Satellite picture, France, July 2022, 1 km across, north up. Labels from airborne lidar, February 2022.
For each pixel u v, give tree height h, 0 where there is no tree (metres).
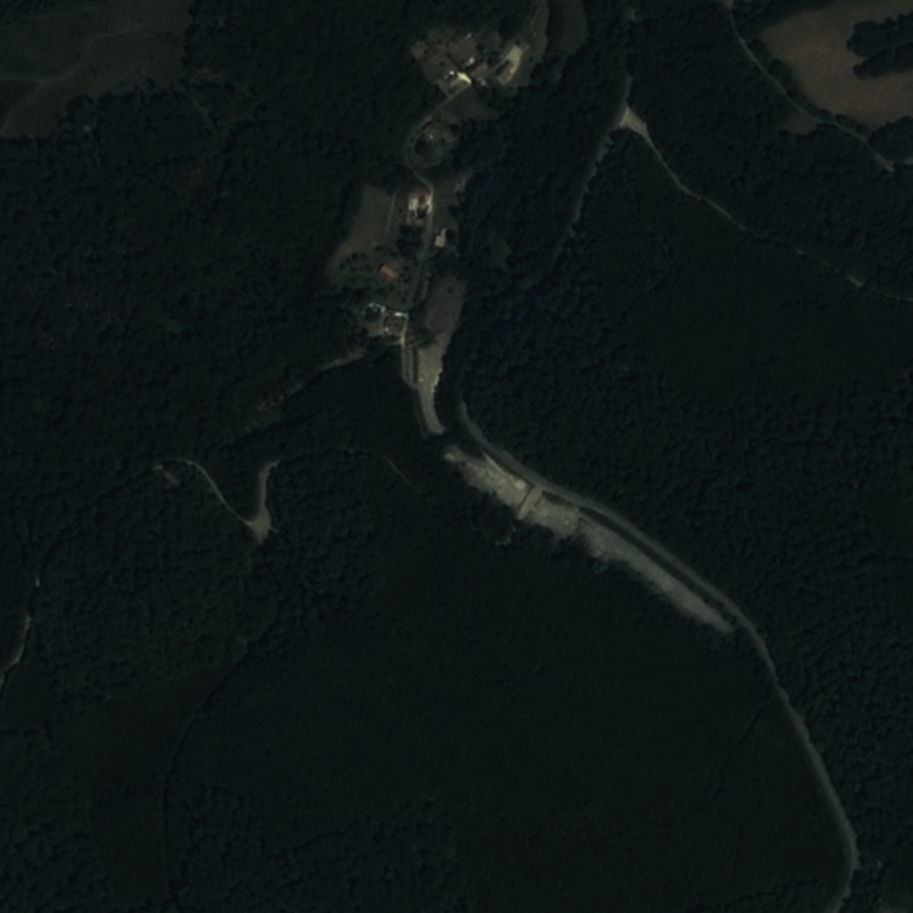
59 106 0
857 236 21
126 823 12
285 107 29
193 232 35
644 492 24
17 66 0
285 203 28
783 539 26
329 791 14
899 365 21
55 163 29
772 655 11
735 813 6
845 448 13
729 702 13
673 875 9
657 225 11
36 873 31
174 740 17
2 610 11
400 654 16
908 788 18
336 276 0
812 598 26
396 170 13
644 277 9
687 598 0
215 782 11
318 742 16
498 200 26
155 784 14
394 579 13
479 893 12
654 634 14
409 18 27
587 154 18
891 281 20
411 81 26
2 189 27
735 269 15
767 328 15
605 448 24
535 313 30
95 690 17
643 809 12
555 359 25
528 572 14
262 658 20
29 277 22
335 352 23
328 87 32
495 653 13
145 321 18
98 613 22
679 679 14
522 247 22
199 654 22
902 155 17
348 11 30
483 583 16
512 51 0
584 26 0
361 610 21
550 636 14
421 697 16
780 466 21
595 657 13
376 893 24
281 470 10
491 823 11
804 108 12
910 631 10
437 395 8
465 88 0
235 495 28
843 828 0
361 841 23
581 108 9
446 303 0
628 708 12
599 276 14
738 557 24
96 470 22
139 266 28
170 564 24
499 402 23
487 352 22
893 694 19
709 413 18
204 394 26
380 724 14
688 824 11
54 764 26
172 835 13
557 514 0
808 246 18
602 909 7
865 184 24
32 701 11
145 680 26
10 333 29
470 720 17
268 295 30
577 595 16
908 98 0
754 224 20
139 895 10
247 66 31
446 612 16
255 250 16
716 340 16
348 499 28
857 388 26
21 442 20
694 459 26
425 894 23
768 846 8
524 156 28
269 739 15
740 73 23
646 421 25
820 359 20
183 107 28
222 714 17
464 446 11
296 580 28
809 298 17
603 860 12
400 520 14
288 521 27
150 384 9
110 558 11
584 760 14
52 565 22
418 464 14
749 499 27
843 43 0
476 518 22
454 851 20
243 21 27
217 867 25
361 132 26
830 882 6
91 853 29
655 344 14
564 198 24
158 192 27
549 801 12
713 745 12
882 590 22
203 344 25
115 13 0
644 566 0
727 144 23
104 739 10
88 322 24
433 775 14
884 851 18
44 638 18
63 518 24
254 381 25
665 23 22
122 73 0
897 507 10
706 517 25
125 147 31
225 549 27
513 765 15
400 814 15
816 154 18
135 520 24
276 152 34
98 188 25
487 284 18
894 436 25
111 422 28
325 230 21
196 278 36
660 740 12
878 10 0
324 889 27
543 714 14
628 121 0
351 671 15
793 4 21
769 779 8
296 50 19
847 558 20
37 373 28
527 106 22
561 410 27
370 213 0
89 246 14
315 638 15
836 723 25
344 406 17
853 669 24
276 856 14
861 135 12
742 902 19
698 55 25
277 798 16
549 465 25
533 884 7
